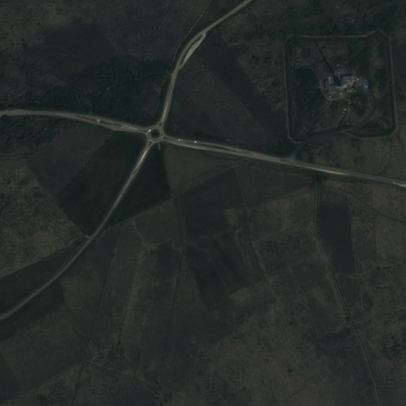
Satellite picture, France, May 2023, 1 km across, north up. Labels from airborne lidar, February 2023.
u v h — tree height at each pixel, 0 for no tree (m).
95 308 0
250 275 0
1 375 0
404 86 0
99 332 0
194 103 0
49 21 0
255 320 0
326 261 0
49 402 0
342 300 0
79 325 0
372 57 0
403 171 0
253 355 0
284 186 0
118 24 0
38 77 0
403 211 0
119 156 0
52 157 0
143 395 0
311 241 0
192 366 0
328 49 0
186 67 0
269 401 0
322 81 0
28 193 0
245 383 0
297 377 0
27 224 0
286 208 0
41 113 0
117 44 0
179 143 0
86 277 0
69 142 0
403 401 0
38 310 0
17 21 0
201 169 0
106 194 0
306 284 0
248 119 0
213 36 0
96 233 0
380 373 0
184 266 0
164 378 0
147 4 0
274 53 0
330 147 0
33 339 0
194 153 0
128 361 0
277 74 0
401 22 0
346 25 6
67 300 0
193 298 0
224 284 0
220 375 0
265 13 0
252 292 0
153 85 0
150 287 0
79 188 0
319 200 0
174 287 0
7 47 0
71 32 0
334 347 0
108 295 0
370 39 0
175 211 0
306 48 0
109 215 0
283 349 0
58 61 0
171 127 0
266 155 0
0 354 0
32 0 0
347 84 0
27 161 0
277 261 0
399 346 0
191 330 0
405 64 0
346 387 0
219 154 0
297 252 0
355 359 0
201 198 0
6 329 0
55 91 6
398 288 0
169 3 0
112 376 0
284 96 0
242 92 0
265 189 0
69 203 0
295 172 0
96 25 0
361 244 0
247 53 0
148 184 0
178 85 0
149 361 0
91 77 0
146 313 0
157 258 0
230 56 0
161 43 0
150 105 0
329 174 0
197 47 0
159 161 0
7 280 0
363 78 0
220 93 0
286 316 0
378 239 0
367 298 0
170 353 0
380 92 0
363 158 0
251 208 0
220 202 0
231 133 0
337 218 0
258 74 0
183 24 0
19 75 0
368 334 0
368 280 0
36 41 0
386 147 0
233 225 0
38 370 0
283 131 0
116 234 0
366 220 0
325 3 0
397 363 0
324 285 0
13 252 0
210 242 0
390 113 0
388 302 0
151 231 0
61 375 0
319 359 0
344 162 0
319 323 0
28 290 0
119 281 0
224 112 0
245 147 0
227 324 0
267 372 0
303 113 0
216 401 0
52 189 0
